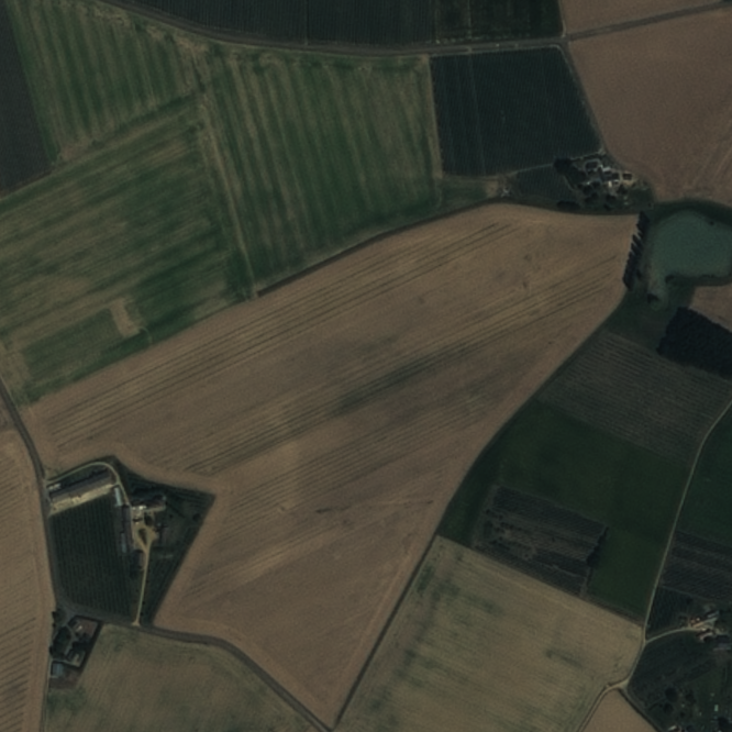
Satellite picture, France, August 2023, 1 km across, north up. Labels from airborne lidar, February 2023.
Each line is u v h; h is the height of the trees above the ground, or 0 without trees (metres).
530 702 0
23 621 0
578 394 0
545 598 0
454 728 0
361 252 0
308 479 0
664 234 0
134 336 0
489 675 0
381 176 0
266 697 0
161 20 0
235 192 0
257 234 0
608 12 0
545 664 0
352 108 0
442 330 0
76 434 0
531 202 0
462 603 0
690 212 0
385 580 0
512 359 0
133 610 0
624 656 0
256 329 0
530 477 0
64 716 0
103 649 0
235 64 0
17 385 0
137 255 0
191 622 0
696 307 0
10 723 0
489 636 0
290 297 0
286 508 0
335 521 0
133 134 0
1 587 0
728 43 0
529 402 0
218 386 0
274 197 0
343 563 0
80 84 0
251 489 0
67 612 0
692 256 0
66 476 0
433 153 0
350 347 0
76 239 0
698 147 0
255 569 0
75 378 0
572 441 0
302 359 0
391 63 0
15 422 0
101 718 0
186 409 0
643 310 0
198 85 0
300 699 0
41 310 0
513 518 0
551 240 0
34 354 0
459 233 0
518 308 0
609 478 0
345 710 0
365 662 0
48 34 0
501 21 0
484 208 0
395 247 0
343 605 0
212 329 0
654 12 0
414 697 0
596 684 0
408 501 0
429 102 0
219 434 0
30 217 0
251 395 0
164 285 0
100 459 0
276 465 0
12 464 0
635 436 0
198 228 0
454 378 0
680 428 0
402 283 0
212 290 0
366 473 0
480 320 0
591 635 0
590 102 0
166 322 0
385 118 0
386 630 0
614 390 0
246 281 0
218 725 0
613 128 0
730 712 0
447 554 0
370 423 0
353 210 0
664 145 0
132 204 0
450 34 0
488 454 0
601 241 0
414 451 0
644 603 0
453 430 0
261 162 0
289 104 0
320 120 0
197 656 0
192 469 0
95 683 0
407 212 0
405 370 0
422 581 0
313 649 0
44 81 0
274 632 0
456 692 0
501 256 0
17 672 0
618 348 0
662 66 0
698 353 19
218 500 0
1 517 0
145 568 0
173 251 0
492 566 0
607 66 0
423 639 0
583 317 0
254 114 0
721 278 0
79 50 0
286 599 0
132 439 0
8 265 0
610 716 0
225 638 0
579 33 0
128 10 0
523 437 0
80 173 0
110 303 0
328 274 0
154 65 0
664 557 0
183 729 0
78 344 0
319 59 0
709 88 0
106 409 0
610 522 0
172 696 0
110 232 0
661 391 0
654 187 0
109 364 0
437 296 0
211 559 0
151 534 0
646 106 0
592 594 0
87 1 0
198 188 0
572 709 0
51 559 0
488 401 0
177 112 0
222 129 0
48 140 0
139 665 0
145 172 0
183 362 0
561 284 0
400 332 0
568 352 0
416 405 0
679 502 0
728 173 0
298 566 0
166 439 0
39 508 0
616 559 0
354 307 0
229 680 0
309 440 0
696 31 0
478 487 0
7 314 0
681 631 0
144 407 0
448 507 0
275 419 0
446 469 0
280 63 0
